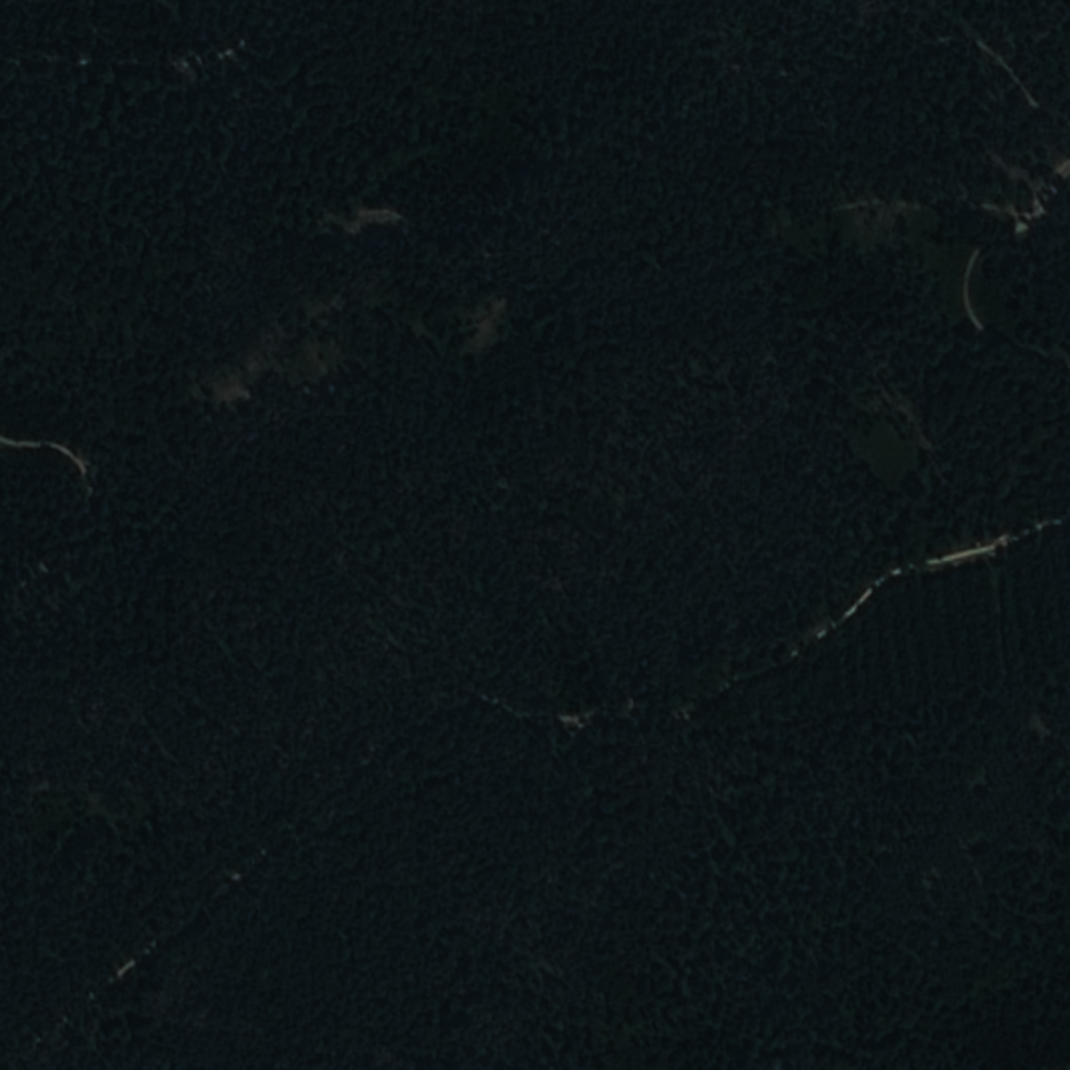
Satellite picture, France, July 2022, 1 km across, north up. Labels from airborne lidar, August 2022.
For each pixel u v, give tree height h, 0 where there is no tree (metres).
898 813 14
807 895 28
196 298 31
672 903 25
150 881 33
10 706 36
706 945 25
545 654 35
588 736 28
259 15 34
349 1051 27
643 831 28
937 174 28
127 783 32
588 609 31
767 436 29
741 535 28
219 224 34
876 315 25
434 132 23
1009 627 15
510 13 27
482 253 31
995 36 9
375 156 29
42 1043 27
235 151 43
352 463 27
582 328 29
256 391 25
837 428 29
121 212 28
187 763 30
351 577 27
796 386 31
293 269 29
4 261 23
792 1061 31
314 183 31
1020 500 19
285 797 26
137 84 31
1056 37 16
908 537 24
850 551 26
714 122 25
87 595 14
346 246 27
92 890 31
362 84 25
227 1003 32
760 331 26
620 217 31
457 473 32
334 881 32
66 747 32
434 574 27
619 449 26
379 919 34
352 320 24
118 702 28
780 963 24
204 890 30
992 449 24
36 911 31
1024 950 21
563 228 33
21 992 32
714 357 27
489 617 35
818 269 15
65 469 9
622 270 35
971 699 19
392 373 30
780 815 28
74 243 26
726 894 22
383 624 31
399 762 30
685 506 28
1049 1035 10
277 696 32
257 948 29
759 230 33
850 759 37
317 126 34
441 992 15
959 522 23
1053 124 21
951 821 17
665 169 30
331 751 31
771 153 30
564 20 21
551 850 29
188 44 19
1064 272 23
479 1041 29
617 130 24
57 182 32
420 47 23
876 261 10
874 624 12
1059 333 16
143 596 23
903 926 18
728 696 15
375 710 31
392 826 29
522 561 28
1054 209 26
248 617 27
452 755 32
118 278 26
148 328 23
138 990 28
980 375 31
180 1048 33
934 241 7
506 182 34
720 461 30
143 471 27
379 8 18
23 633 25
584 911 29
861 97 28
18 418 10
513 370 10
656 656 30
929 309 24
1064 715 18
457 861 31
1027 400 25
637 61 18
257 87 31
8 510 19
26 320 17
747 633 32
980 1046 12
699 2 27
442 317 13
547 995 30
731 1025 18
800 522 32
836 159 32
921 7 19
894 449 0
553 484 27
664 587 31
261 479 32
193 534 35
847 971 24
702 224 36
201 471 30
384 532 28
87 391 18
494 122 6
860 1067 14
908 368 34
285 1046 30
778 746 22
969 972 19
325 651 29
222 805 30
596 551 31
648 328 35
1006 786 18
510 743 31
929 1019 14
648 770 26
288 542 29
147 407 24
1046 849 23
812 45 27
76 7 25
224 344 31
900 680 11
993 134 26
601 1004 22
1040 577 16
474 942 32
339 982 33
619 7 26
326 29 33
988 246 21
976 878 21
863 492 31
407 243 33
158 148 39
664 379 24
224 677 31
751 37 7
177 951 27
